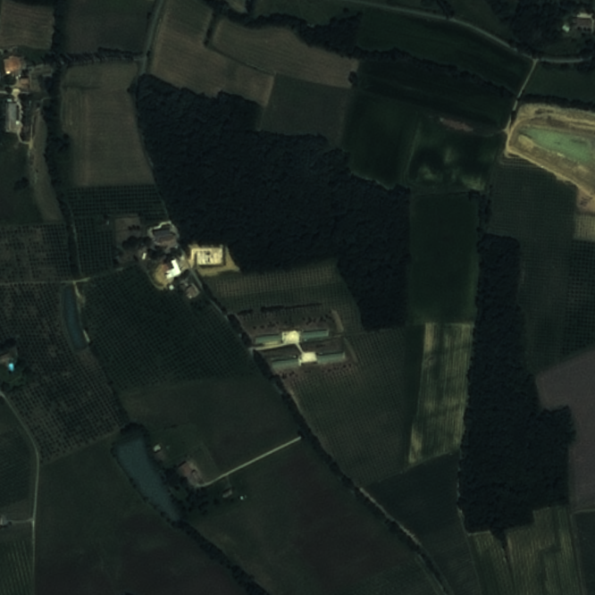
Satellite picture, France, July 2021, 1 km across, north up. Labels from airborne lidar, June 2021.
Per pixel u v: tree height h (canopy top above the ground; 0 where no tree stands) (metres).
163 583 0
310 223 23
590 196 0
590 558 0
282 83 0
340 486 0
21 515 0
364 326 10
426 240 0
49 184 0
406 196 24
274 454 0
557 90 0
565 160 0
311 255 19
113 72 0
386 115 0
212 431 0
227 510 0
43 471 0
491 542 0
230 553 0
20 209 0
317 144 17
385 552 0
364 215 24
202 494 9
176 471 13
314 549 0
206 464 0
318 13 0
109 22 0
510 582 0
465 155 0
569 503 10
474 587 0
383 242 25
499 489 22
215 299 12
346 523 0
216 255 0
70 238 7
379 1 0
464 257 0
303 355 0
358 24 16
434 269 0
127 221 0
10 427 0
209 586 0
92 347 8
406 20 0
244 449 0
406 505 0
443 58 0
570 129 0
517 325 14
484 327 21
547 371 0
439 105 0
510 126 0
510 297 15
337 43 21
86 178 0
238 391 0
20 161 0
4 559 0
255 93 0
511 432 24
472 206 0
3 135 11
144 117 14
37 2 14
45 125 0
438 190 0
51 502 0
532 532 0
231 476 0
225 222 21
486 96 0
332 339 0
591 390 0
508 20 20
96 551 0
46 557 0
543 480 16
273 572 0
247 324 0
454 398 0
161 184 22
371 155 0
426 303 0
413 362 0
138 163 0
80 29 0
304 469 0
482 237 8
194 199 19
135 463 0
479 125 0
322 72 0
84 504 0
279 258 17
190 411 0
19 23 0
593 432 0
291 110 0
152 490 0
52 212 0
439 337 0
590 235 0
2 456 0
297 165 21
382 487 0
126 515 0
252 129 18
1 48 0
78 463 0
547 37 25
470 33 0
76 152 0
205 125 23
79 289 0
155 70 0
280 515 0
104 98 0
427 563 13
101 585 0
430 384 0
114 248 7
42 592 0
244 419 0
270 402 0
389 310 16
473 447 15
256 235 23
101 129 0
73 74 0
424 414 0
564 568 0
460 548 0
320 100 0
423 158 0
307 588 0
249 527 0
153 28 0
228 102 20
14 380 0
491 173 0
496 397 17
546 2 6
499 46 0
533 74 0
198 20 0
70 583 0
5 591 0
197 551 0
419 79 0
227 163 21
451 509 0
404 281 18
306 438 21
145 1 0
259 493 0
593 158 0
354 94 0
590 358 0
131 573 0
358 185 22
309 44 12
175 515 0
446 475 0
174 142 19
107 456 0
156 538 0
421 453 0
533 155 0
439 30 0
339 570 0
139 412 0
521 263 19
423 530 0
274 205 25
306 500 0
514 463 21
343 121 0
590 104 12
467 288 0
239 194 25
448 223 0
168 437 0
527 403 18
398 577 0
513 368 19
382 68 0
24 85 0
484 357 18
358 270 24
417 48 0
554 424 23
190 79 0
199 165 13
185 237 11
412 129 0
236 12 12
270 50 0
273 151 20
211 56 0
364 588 0
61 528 0
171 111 18
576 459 0
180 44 0
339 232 27
